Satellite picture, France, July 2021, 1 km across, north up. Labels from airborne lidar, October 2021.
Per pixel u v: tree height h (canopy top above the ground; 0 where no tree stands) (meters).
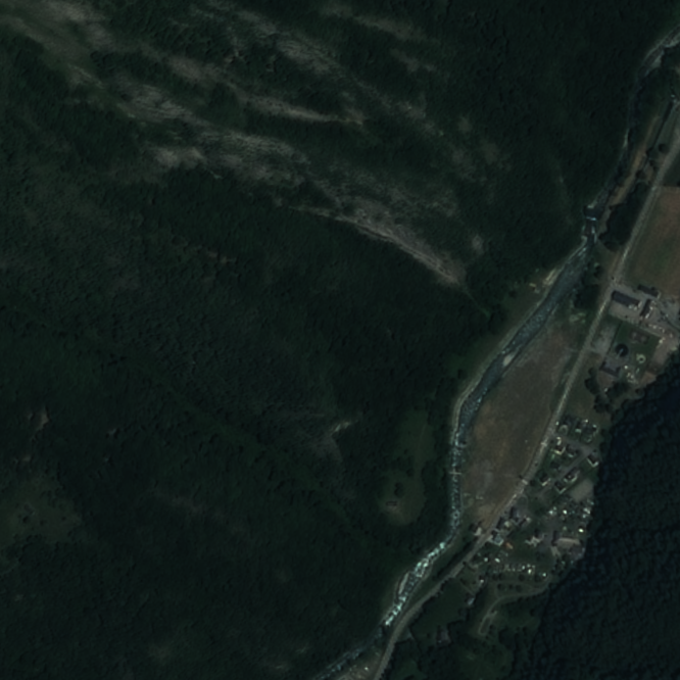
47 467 20
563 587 25
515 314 0
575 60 16
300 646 9
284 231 22
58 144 8
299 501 34
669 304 0
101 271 17
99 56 21
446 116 11
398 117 6
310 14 16
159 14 11
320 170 8
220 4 7
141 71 13
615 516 25
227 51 20
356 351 15
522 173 16
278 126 12
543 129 25
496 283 20
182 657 17
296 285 23
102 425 24
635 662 12
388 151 7
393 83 15
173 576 19
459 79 11
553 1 36
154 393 28
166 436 35
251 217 22
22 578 13
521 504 0
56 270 10
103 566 23
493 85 25
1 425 24
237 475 38
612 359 0
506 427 0
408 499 0
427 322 20
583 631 17
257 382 20
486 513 0
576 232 11
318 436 14
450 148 9
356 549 31
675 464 22
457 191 16
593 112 28
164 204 24
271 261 9
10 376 27
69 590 18
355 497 6
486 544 11
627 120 10
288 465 6
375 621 12
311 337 16
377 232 0
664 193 0
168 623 15
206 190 31
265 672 14
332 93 8
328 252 21
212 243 24
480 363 0
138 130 15
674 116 0
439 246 6
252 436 6
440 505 15
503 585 8
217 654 13
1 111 6
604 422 0
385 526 12
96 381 25
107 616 25
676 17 11
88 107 17
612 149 20
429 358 29
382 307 29
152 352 13
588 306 19
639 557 34
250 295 22
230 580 20
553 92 24
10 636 20
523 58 22
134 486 16
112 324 8
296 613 22
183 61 0
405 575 0
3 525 0
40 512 0
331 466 13
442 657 23
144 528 17
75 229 11
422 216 8
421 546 27
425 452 0
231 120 10
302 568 37
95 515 25
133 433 30
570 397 0
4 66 7
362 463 26
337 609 18
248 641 13
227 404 23
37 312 8
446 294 17
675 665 25
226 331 17
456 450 0
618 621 15
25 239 16
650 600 22
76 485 23
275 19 10
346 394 29
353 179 7
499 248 14
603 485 23
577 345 0
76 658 29
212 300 17
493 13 25
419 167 12
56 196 10
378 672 0
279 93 8
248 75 11
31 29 0
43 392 17
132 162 11
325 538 21
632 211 26
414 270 21
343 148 14
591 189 11
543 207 15
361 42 20
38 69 26
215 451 27
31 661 15
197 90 10
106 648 27
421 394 17
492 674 0
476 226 12
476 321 17
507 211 14
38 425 21
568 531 0
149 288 9
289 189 8
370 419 23
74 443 29
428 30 13
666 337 0
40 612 19
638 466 22
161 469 28
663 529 28
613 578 22
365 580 20
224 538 17
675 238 0
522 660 20
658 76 9
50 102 14
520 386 0
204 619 22
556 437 0
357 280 19
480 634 0
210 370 23
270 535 18
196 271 16
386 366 25
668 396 24
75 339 32
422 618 13
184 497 8
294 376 18
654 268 0
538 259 19
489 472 0
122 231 12
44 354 27
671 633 22
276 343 9
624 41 22
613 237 18
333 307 21
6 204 11
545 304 0
